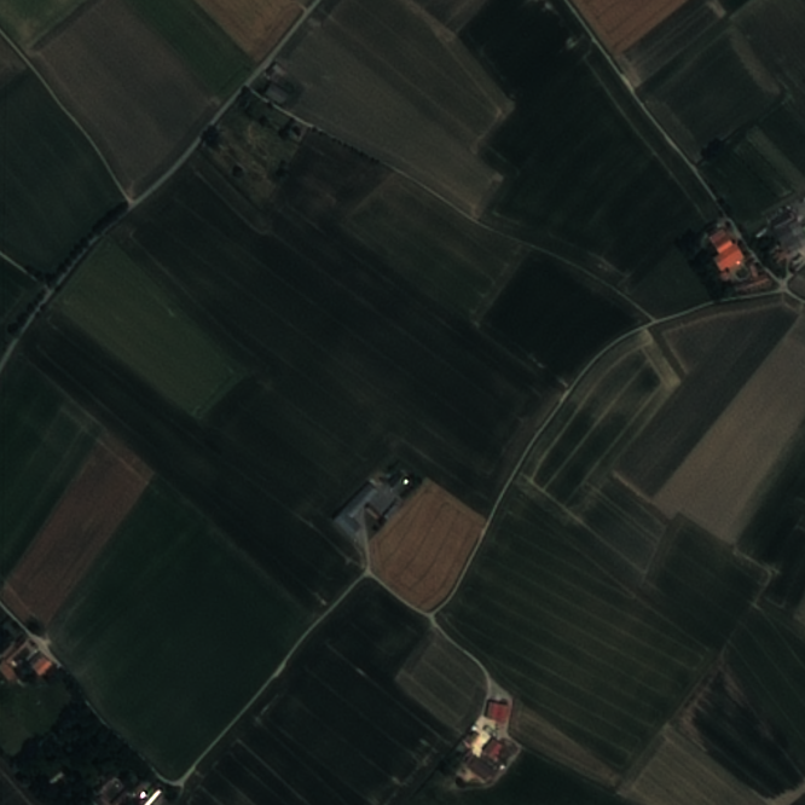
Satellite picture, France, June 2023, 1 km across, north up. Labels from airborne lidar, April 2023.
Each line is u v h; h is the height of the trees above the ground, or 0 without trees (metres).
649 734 0
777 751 0
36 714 0
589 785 0
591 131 0
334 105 0
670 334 0
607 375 0
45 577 0
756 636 0
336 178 0
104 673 0
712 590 0
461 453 0
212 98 0
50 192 0
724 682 0
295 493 0
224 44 0
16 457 0
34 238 0
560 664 0
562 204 0
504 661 0
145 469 0
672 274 0
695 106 0
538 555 0
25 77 0
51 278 15
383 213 0
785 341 0
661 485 0
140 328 0
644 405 0
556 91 0
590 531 0
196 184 0
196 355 0
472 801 0
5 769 0
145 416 0
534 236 0
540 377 0
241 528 0
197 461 0
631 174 0
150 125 0
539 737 0
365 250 0
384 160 0
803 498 0
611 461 0
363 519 0
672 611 0
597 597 0
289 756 0
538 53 0
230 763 0
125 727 0
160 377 0
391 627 0
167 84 0
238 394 0
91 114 0
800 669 0
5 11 0
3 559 0
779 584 0
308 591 0
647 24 0
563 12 0
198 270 0
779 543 0
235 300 0
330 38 0
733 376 0
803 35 0
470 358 0
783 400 0
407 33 0
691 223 0
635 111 0
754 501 0
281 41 0
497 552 0
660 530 0
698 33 0
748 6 0
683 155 0
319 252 0
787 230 0
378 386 0
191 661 0
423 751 0
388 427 0
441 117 0
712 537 0
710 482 0
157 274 0
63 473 0
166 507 0
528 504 0
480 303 0
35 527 0
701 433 0
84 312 0
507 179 0
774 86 0
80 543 0
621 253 0
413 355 0
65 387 0
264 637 0
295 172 0
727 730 0
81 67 0
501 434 0
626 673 0
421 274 0
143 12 0
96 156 0
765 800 0
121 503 0
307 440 0
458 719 0
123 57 0
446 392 0
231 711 0
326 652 0
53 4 0
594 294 0
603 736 0
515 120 0
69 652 0
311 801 0
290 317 0
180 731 0
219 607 0
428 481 0
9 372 0
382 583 0
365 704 0
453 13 0
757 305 0
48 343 0
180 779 0
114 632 0
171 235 0
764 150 0
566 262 0
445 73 0
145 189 0
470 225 0
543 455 0
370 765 0
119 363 0
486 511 0
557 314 0
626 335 0
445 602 0
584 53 0
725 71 0
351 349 0
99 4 0
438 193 0
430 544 0
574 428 0
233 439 0
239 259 0
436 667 0
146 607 0
